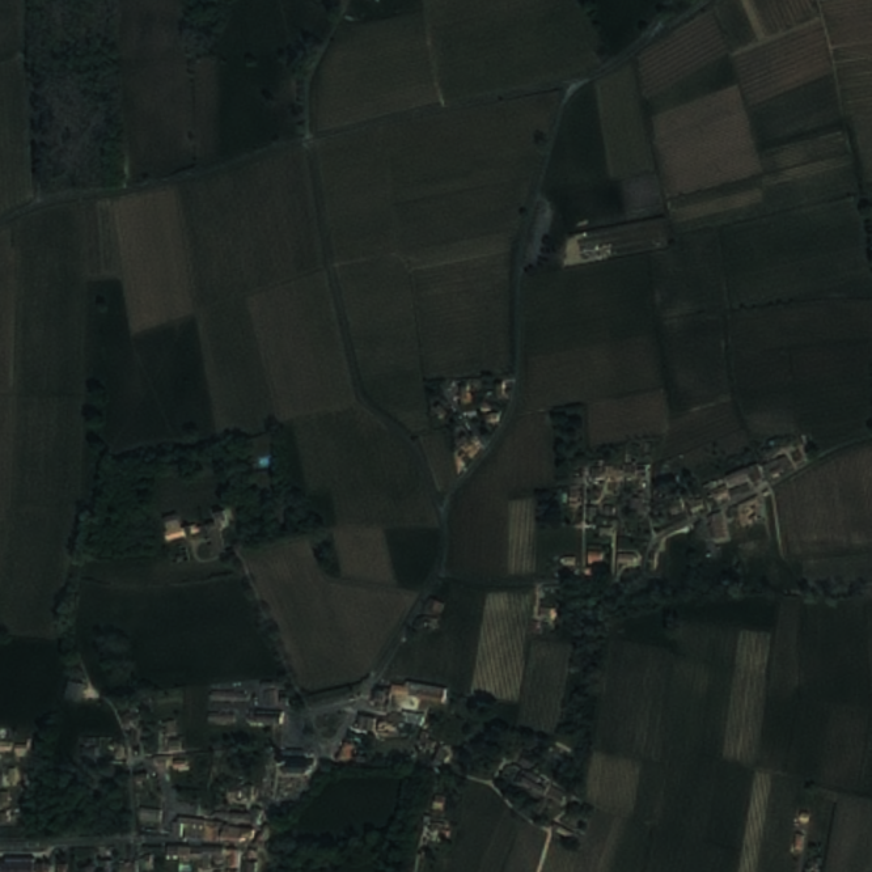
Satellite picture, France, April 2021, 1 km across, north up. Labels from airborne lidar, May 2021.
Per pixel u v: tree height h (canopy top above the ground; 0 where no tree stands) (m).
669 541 0
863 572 0
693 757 0
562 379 0
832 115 0
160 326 0
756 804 0
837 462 0
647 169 0
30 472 0
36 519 0
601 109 0
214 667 0
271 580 0
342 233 0
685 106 0
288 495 14
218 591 0
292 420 0
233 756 9
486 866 0
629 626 0
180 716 7
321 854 17
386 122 0
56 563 0
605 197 0
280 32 0
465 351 0
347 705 0
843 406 0
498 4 0
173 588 0
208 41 15
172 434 0
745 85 0
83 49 14
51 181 10
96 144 12
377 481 0
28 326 0
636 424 0
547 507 11
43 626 0
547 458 0
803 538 0
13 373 0
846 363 0
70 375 0
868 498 0
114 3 15
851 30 0
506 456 0
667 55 0
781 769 0
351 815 0
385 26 0
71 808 19
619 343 0
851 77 0
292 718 0
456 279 0
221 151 0
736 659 0
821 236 0
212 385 0
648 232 0
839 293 0
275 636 18
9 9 0
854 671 0
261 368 0
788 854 0
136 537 16
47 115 11
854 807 0
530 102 0
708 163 0
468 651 0
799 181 0
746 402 0
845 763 0
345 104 0
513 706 0
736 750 0
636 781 0
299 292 0
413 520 0
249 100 0
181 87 0
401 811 12
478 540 0
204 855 0
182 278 0
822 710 0
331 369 0
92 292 0
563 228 0
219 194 0
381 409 0
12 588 0
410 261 0
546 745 11
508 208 0
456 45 0
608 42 0
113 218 0
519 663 0
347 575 0
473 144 0
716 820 0
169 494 0
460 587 0
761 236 0
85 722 0
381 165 0
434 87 0
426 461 0
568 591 17
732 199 0
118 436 0
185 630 0
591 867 0
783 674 0
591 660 7
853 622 0
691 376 0
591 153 0
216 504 0
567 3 0
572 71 0
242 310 0
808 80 0
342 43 0
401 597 0
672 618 16
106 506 14
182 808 0
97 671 0
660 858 0
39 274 0
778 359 0
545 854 0
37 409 0
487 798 0
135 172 0
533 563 0
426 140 0
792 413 0
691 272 0
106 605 0
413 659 0
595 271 0
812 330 0
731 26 0
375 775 12
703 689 0
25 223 0
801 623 0
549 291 0
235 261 0
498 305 0
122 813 15
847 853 0
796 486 0
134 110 0
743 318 0
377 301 0
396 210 0
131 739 16
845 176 0
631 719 0
